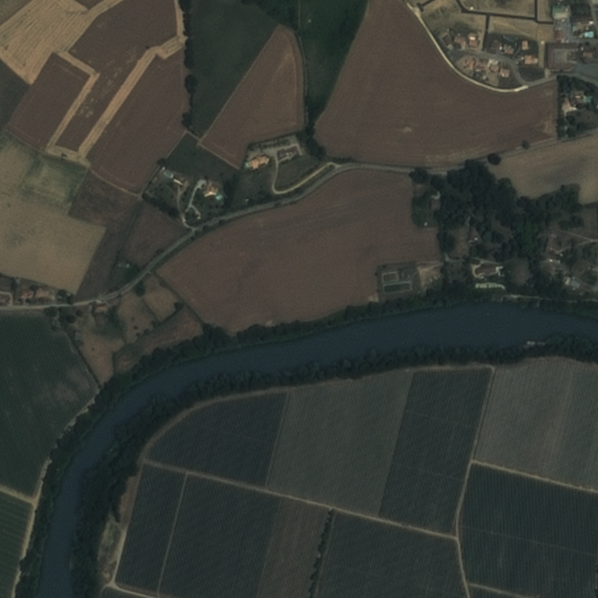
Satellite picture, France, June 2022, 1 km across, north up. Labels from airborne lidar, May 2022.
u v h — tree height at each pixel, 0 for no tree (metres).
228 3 0
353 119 0
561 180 0
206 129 0
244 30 0
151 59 0
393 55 0
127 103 0
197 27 0
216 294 0
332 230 0
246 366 0
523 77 0
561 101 7
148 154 0
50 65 0
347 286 0
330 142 0
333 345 0
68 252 0
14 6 0
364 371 19
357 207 0
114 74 0
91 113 0
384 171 0
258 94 0
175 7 0
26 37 0
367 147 0
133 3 0
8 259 0
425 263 0
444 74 0
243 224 0
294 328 14
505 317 0
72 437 21
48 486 15
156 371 21
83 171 0
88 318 0
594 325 0
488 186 19
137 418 30
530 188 0
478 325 0
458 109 0
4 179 0
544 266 0
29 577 23
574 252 6
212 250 0
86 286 0
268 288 0
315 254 0
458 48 0
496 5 0
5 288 0
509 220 31
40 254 0
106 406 29
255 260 0
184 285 0
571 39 0
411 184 0
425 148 0
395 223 0
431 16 0
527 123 0
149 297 0
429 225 0
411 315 0
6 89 0
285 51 0
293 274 0
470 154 0
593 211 0
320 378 21
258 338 27
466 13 0
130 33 0
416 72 0
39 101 0
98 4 0
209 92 0
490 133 0
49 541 0
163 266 0
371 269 0
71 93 0
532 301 8
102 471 32
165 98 0
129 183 0
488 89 0
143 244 0
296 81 0
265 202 7
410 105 0
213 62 0
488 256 13
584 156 0
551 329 0
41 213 0
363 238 0
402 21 0
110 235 0
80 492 0
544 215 18
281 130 0
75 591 15
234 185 17
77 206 0
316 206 0
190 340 9
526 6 0
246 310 0
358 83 0
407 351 8
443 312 0
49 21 0
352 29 8
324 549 11
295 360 0
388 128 0
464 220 15
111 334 0
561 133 9
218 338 20
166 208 15
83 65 0
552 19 0
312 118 12
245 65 0
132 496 0
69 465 0
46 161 0
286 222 0
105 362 0
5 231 0
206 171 0
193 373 0
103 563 0
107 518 10
